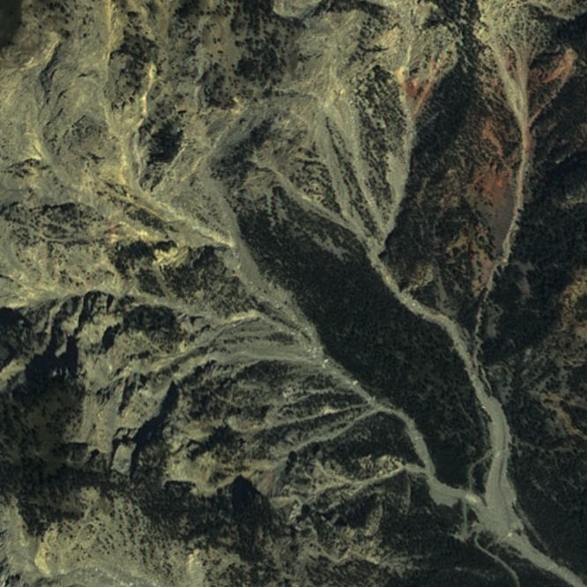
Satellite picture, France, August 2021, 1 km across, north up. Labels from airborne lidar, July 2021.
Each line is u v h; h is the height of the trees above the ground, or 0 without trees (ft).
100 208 0
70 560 0
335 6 21
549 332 33
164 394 0
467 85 24
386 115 17
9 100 0
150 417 0
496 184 0
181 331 29
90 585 0
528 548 0
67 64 0
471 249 35
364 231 0
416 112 0
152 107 0
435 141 30
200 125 0
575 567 22
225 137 0
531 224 48
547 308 34
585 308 25
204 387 33
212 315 0
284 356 0
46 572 0
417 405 33
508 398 39
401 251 38
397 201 0
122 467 0
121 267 52
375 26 23
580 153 33
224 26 0
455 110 45
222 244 0
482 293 26
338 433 0
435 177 27
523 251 31
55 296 0
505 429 0
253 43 29
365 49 28
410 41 0
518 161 33
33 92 0
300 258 22
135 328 34
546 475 27
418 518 31
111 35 0
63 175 0
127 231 0
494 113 25
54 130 0
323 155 0
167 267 28
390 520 40
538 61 25
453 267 50
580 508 61
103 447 0
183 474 0
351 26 0
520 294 22
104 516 0
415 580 42
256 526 48
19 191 0
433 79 0
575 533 33
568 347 59
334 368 0
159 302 0
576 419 28
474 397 35
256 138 36
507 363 23
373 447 23
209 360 0
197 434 0
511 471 18
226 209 0
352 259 27
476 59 28
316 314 20
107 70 0
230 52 0
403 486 25
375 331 18
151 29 0
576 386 26
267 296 0
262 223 21
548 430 38
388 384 30
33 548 0
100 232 0
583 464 21
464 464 25
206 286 21
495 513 0
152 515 24
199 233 0
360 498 26
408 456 22
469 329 28
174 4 0
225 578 24
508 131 44
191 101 0
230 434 35
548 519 25
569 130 38
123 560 0
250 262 0
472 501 0
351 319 28
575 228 28
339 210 19
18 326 23
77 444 44
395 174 0
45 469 53
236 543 25
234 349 0
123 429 0
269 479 0
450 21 18
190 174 0
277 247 19
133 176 0
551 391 36
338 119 0
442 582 18
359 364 20
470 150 28
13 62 0
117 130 0
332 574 21
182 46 0
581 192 24
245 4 23
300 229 19
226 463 33
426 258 30
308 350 0
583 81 31
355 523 37
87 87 0
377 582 37
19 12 0
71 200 0
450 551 43
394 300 31
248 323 0
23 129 0
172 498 35
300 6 0
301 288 22
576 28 38
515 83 0
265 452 22
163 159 27
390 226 0
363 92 23
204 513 20
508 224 0
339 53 0
